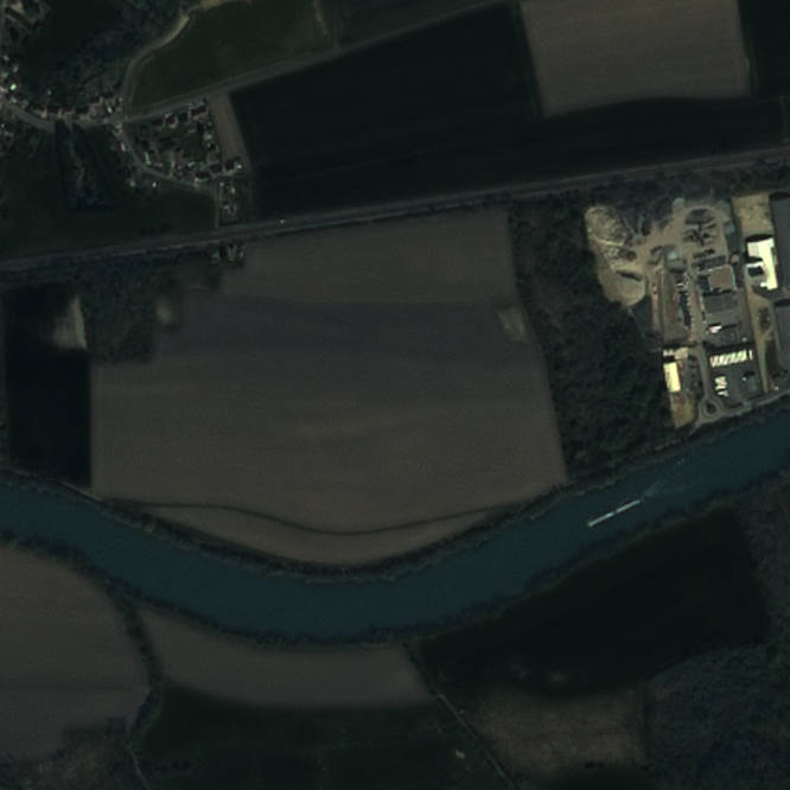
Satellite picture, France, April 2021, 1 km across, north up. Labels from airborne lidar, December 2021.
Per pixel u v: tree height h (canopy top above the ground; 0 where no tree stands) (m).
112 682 0
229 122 0
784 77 0
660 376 7
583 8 0
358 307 0
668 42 0
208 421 0
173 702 0
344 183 0
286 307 0
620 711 0
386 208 0
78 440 0
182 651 0
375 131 0
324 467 0
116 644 0
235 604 0
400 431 0
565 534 0
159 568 0
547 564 0
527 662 0
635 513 0
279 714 0
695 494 0
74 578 0
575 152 0
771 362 0
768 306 0
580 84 0
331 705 0
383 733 0
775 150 0
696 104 0
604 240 0
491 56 0
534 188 0
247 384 0
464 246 0
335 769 0
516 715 0
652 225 0
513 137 0
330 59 0
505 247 0
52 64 0
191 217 0
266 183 0
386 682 0
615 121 0
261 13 0
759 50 0
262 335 0
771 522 21
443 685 0
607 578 0
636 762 0
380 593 0
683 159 0
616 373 7
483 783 0
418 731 0
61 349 0
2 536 12
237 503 0
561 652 0
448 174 0
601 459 7
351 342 0
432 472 0
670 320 0
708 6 0
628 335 6
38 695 0
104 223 0
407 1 0
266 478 0
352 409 0
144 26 25
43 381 0
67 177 19
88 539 0
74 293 0
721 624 0
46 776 0
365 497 0
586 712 0
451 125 0
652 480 0
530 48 0
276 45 0
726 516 0
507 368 0
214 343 0
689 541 0
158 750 0
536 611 0
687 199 0
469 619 12
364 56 0
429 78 0
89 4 0
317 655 0
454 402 0
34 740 0
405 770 0
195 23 0
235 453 0
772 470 0
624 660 0
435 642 0
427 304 0
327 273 0
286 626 0
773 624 10
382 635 9
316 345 0
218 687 0
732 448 0
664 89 0
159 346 0
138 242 0
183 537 13
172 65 0
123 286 26
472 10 0
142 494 0
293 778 0
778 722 22
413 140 0
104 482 0
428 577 0
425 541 0
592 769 6
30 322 0
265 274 0
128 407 0
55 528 0
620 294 0
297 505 0
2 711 0
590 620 0
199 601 0
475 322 0
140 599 14
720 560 0
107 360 22
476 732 14
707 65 0
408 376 0
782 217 0
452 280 0
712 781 25
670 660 0
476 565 0
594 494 0
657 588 0
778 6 0
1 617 0
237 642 0
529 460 0
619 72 0
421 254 0
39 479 7
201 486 0
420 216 13
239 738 0
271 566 6
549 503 14
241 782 0
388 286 0
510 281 0
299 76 0
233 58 0
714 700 8
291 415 0
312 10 0
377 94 0
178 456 0
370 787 0
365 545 0
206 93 0
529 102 0
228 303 0
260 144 0
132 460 0
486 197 0
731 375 0
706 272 0
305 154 0
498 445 0
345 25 0
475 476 0
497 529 13
